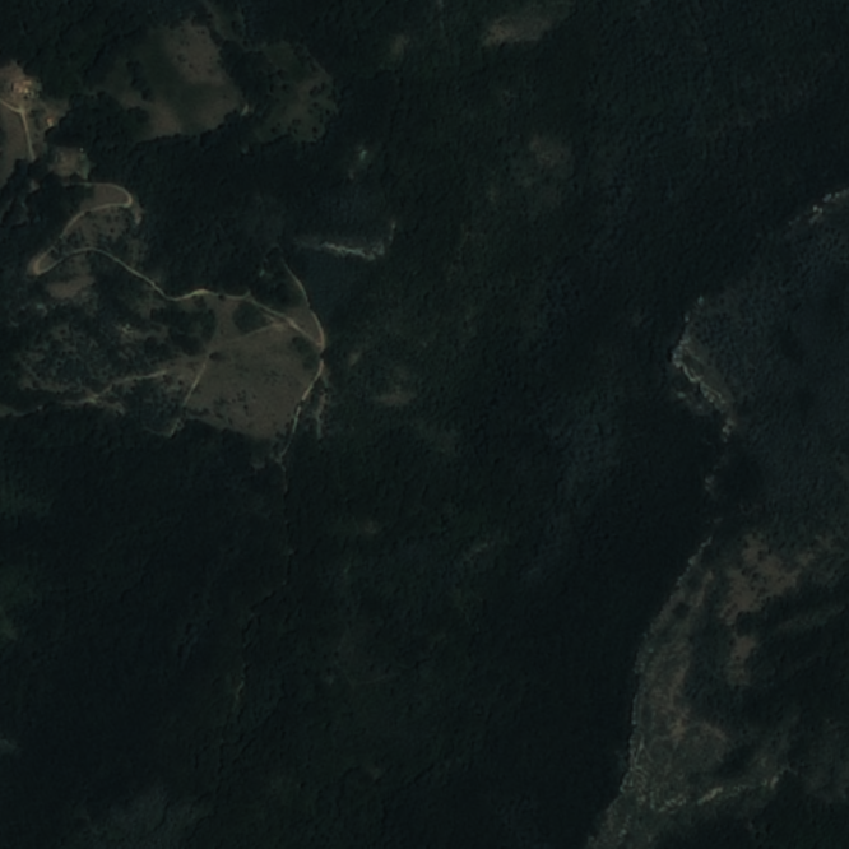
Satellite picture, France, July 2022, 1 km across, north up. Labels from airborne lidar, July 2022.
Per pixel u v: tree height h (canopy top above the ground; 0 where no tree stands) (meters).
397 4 15
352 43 16
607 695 15
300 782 8
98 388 10
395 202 24
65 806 10
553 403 23
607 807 7
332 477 13
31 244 10
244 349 0
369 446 9
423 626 15
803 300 11
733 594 0
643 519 18
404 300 10
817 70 11
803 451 19
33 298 7
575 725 15
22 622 12
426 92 13
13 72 0
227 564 8
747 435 6
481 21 6
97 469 13
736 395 8
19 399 12
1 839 10
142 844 13
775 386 11
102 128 17
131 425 15
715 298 6
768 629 7
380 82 19
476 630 11
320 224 11
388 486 13
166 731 15
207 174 24
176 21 11
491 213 11
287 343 0
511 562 23
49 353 7
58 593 15
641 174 11
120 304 10
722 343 12
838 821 22
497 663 14
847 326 12
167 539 15
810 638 15
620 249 10
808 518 9
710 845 13
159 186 15
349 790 18
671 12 11
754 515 7
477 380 20
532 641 20
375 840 13
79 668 13
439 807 20
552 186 9
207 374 0
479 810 15
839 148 11
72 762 17
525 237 13
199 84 0
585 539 18
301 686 14
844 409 21
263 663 21
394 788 8
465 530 7
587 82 15
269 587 17
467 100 12
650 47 11
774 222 11
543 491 15
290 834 14
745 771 8
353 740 7
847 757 11
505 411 23
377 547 9
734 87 16
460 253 8
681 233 11
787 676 9
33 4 16
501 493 21
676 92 13
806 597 13
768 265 7
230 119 13
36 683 21
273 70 9
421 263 13
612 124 14
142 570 13
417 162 8
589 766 14
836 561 7
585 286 16
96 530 13
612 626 13
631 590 14
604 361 8
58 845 8
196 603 9
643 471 14
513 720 10
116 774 10
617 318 9
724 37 13
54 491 15
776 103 11
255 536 10
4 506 7
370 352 7
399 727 7
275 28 14
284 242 9
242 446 10
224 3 9
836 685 19
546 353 18
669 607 0
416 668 7
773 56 11
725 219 13
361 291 9
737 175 14
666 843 6
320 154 20
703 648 6
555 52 22
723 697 7
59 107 0
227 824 17
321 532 10
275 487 18
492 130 18
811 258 12
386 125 22
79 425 15
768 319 12
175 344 7
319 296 12
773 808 13
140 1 17
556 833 9
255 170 20
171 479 13
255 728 18
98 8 16
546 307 15
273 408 0
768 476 16
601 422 16
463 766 8
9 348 14
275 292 8
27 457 16
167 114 0
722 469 5
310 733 13
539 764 12
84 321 9
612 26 13
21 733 16
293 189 20
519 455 18
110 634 13
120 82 0
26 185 19
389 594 6
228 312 0
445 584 14
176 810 18
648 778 0
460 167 9
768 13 13
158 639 16
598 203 11
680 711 0
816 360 15
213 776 27
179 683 14
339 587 14
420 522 14
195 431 11
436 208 12
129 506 15
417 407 11
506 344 20
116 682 17
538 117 19
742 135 15
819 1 12
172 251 14
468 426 26
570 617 19
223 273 10
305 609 18
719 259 11
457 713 11
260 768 19
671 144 13
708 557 7
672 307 13
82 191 11
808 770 14
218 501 12
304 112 0
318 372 0
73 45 23
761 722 11
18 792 11
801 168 11
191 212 18
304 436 9
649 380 12
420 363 14
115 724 15
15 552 15
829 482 17
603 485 20
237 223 10
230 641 21
